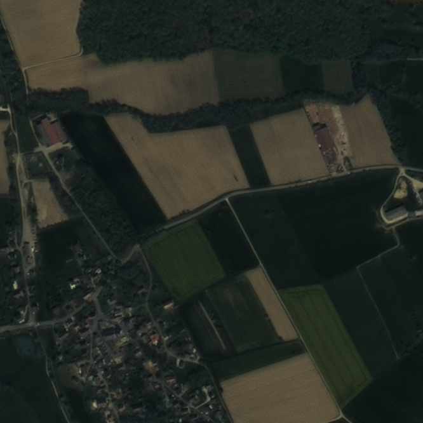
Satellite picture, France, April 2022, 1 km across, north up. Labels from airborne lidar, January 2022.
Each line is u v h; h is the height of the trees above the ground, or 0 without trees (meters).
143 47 28
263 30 31
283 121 0
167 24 27
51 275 0
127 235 10
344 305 0
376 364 0
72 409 0
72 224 0
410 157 0
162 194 0
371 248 0
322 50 29
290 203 0
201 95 0
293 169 0
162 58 26
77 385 0
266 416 0
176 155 0
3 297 0
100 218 6
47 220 0
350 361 0
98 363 0
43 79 0
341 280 0
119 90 0
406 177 0
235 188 0
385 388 0
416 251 0
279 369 0
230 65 0
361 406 0
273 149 0
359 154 0
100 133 0
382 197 0
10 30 0
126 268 19
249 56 0
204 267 0
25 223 0
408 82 0
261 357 0
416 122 0
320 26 29
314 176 0
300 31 31
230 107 20
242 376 0
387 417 0
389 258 0
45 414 0
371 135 0
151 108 0
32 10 0
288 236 0
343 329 0
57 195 31
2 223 0
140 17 23
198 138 0
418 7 0
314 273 0
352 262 0
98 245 0
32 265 0
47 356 0
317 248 0
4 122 0
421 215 0
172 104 0
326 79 0
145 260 0
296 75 0
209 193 0
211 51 0
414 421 0
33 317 0
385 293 0
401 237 0
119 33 23
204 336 0
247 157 0
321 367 0
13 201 15
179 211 0
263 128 0
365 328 0
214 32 31
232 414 0
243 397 0
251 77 0
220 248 0
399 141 18
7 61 23
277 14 34
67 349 0
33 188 0
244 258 0
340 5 33
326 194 0
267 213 10
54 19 0
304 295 0
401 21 0
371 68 0
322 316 0
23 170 0
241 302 0
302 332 0
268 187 0
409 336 0
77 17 0
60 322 0
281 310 0
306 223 0
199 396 0
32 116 17
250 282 0
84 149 0
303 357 0
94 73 0
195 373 13
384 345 0
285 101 16
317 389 0
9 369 0
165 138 0
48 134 0
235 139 0
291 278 0
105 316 0
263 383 0
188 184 0
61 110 0
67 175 0
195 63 0
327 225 0
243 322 0
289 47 24
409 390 0
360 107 0
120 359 0
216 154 0
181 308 0
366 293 0
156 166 0
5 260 0
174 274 0
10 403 0
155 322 0
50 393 0
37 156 0
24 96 0
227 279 0
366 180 0
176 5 24
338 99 17
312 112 0
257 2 34
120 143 0
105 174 0
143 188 0
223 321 0
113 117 0
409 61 0
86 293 0
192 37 24
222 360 0
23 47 0
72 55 0
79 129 0
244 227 0
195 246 0
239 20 31
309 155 0
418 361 0
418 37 0
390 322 0
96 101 0
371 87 23
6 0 0
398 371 0
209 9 22
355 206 0
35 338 19
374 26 0
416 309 0
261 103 20
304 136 0
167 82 0
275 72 0
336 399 0
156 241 0
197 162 0
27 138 0
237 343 0
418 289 0
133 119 0
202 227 0
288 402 0
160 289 0
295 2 35
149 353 0
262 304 0
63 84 0
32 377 0
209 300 0
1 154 0
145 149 0
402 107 0
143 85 0
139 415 12
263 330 0
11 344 0
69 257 0
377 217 0
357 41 28
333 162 0
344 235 0
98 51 23
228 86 0
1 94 0
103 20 27
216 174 0
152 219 0
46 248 0
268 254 0
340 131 0
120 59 20
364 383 0
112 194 0
